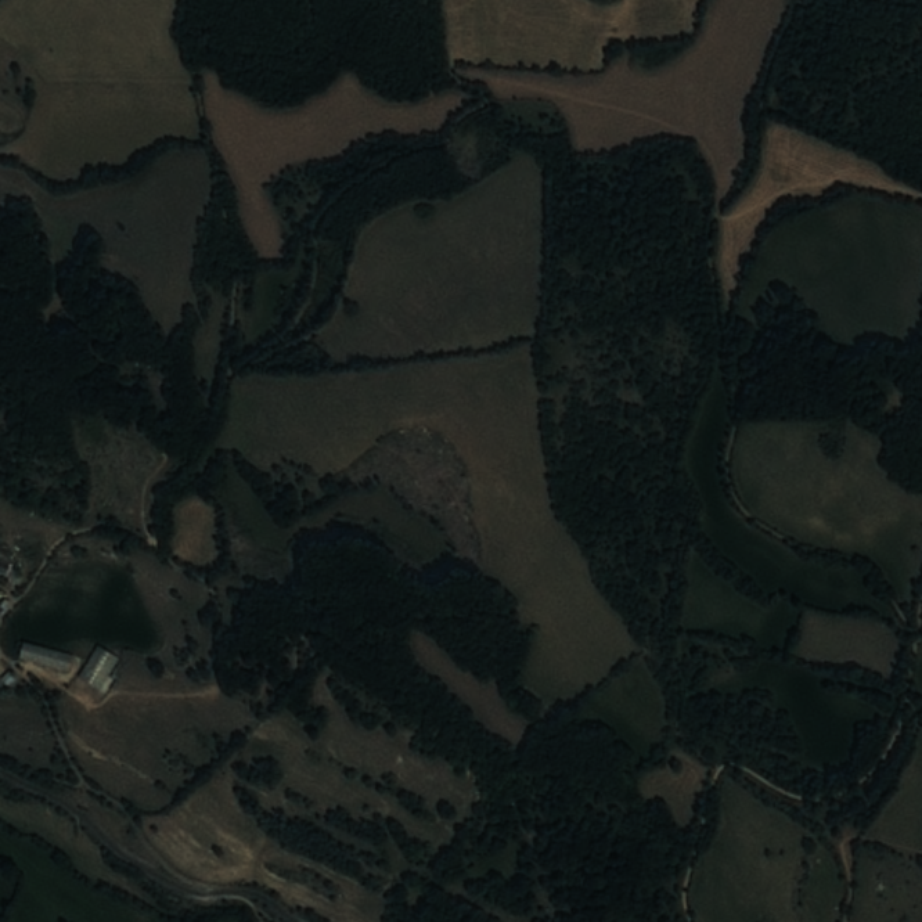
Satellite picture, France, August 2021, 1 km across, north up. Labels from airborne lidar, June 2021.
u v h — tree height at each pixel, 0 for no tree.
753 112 15
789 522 0
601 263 12
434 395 0
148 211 0
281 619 12
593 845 19
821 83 6
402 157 10
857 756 12
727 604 0
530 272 0
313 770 0
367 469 0
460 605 18
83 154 0
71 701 0
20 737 0
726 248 0
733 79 0
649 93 0
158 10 0
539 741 14
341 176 9
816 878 0
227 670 16
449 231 0
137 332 13
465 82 9
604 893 17
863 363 19
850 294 0
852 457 0
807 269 0
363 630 14
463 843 12
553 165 7
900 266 0
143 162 13
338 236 12
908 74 9
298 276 0
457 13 0
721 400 0
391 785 8
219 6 15
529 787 7
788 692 0
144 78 0
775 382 17
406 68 10
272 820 12
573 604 0
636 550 12
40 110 0
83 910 0
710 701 9
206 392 13
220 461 12
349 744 0
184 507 0
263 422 0
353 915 0
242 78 9
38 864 0
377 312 0
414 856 11
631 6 0
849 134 6
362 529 0
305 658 6
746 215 0
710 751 9
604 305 11
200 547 0
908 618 8
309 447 0
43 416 9
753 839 0
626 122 0
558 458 11
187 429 20
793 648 14
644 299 12
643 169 10
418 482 0
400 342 0
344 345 0
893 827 0
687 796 0
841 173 0
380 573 17
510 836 13
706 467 0
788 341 25
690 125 0
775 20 0
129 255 0
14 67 10
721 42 0
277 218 0
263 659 15
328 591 17
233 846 0
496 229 0
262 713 9
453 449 0
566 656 0
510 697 15
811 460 0
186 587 0
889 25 9
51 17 0
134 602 0
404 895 15
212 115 0
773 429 0
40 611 0
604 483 15
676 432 13
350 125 0
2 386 7
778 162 0
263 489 12
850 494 0
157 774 0
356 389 0
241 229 10
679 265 10
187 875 0
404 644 13
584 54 0
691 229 9
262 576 0
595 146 0
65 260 0
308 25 15
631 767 15
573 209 13
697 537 8
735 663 11
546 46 0
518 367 0
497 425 0
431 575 0
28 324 22
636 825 13
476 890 12
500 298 0
